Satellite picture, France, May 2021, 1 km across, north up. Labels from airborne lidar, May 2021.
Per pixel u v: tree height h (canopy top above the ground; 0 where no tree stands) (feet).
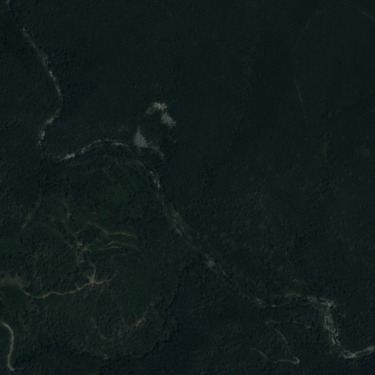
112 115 44
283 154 26
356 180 24
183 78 26
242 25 17
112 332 39
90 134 32
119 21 27
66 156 34
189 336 52
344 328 32
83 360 63
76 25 24
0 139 57
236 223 48
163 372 65
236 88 22
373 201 17
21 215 60
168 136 44
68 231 51
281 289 28
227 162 29
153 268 41
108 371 67
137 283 28
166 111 23
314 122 20
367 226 23
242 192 24
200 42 19
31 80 56
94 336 22
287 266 22
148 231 55
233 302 55
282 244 31
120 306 28
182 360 54
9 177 56
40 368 30
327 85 24
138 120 44
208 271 62
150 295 34
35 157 63
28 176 76
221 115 22
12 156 48
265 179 33
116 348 47
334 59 20
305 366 44
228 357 26
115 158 31
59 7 30
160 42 23
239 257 30
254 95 19
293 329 59
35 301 28
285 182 18
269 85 20
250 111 20
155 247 51
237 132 33
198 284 83
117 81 23
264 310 66
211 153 29
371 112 19
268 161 18
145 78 23
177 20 19
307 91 17
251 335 48
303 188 42
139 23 26
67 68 28
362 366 54
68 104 59
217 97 18
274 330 40
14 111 37
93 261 35
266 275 38
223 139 20
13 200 21
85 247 41
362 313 66
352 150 18
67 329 47
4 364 52
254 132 22
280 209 19
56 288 42
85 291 38
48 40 35
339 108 19
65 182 71
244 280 32
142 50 18
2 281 36
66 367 47
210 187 26
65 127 24
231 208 40
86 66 35
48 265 43
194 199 31
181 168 29
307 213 36
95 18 29
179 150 26
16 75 41
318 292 21
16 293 0
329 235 20
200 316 50
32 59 77
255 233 24
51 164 83
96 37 20
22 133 41
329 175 54
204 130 20
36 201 64
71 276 44
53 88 56
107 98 26
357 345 38
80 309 21
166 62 23
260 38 21
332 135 27
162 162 58
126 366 81
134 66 23
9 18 64
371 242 21
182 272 40
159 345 74
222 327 30
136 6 24
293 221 23
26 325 36
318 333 56
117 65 19
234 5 22
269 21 19
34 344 42
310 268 30
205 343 42
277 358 42
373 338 42
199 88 21
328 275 32
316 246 22
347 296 21
